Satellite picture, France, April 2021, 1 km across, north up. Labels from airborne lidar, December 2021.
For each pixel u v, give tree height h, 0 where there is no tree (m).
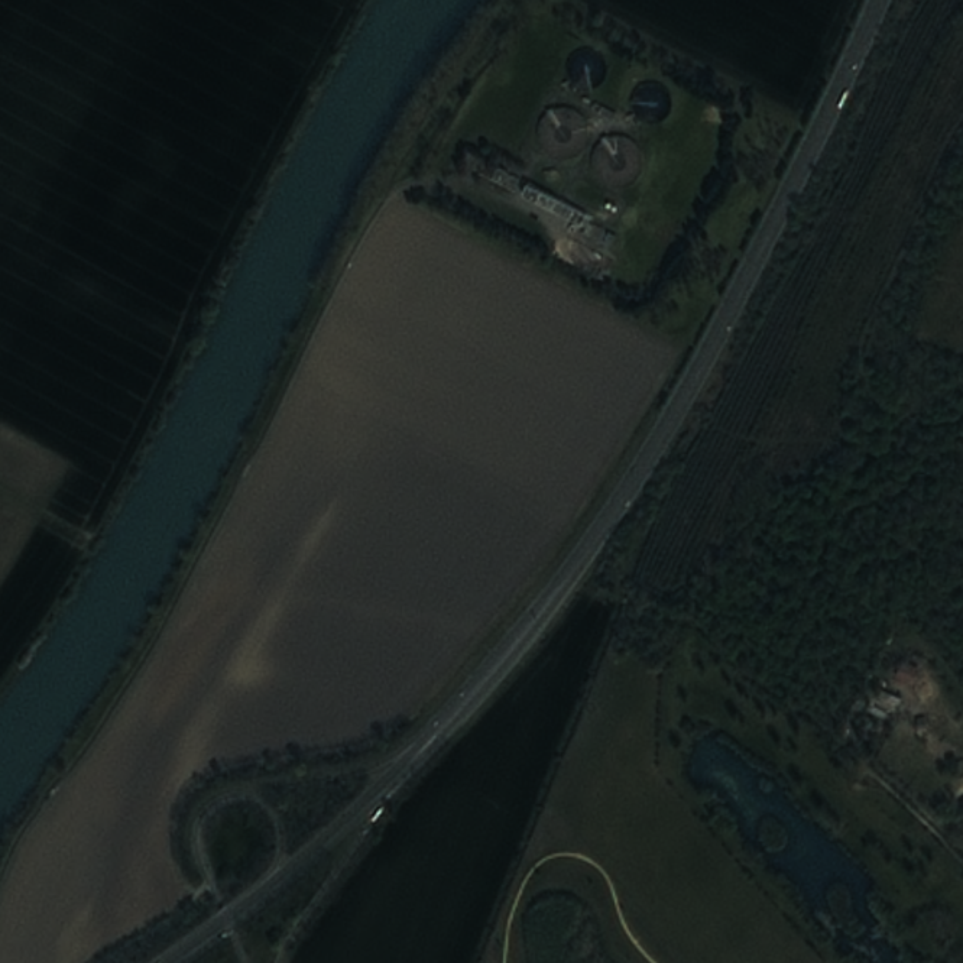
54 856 0
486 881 0
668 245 0
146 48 0
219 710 0
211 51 0
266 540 0
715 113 0
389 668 0
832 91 0
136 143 0
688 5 0
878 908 16
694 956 0
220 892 11
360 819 0
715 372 0
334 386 0
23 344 0
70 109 0
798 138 10
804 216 9
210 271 0
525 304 0
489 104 0
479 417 0
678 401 0
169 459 0
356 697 0
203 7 0
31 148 0
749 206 0
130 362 0
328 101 0
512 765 0
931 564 21
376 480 0
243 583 0
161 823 0
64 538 0
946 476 20
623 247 0
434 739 0
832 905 12
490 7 24
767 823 13
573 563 0
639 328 0
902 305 15
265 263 0
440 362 0
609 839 0
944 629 17
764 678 7
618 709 0
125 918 0
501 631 0
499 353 0
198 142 0
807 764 0
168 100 0
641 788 0
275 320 0
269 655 0
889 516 23
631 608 10
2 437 0
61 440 0
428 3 0
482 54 7
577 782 0
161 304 0
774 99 0
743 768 0
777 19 0
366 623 0
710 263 11
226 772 19
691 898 0
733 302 0
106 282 0
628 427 0
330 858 16
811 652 11
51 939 0
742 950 0
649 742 0
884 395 20
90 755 0
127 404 0
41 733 0
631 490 0
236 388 0
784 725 0
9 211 0
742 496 16
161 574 0
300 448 0
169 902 0
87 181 0
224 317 0
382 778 0
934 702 0
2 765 0
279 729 0
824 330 0
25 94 0
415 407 0
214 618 0
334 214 0
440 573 0
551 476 0
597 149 0
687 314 0
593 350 0
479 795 0
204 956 14
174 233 0
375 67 0
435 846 0
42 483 0
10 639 0
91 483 0
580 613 0
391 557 0
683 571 7
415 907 0
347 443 0
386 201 0
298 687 0
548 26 0
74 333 0
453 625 0
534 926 10
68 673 0
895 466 14
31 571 0
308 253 0
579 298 0
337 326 0
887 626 18
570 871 0
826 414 0
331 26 0
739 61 0
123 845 0
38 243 0
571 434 0
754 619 15
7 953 0
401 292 0
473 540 0
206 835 14
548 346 0
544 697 0
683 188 0
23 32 0
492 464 0
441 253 0
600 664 0
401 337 0
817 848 0
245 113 0
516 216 0
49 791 0
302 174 0
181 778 0
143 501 0
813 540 14
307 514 0
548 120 0
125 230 0
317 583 0
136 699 0
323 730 0
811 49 0
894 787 6
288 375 0
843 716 19
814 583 23
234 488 0
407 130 29
